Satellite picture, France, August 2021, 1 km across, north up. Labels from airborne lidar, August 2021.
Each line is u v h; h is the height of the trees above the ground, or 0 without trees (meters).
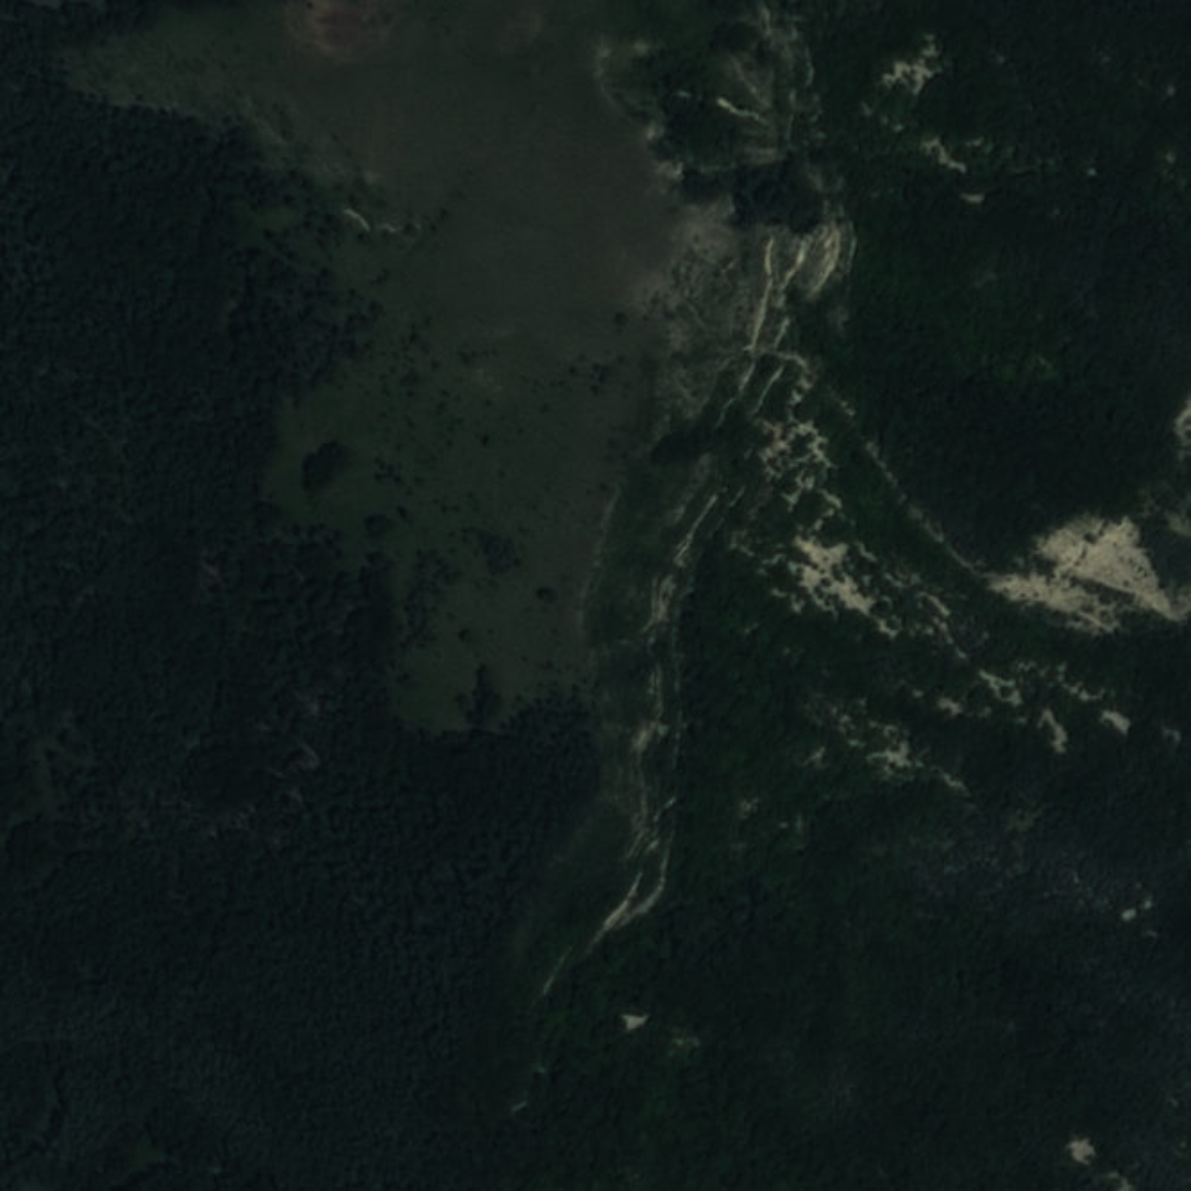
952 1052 9
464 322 0
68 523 11
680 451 15
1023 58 13
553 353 0
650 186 0
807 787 9
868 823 18
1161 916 14
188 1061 18
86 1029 26
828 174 6
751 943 21
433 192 0
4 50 18
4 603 17
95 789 10
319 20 0
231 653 15
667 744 13
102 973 19
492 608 0
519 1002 16
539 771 16
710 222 0
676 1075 11
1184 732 11
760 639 17
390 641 15
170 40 0
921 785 12
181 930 17
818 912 14
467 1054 18
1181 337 6
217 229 23
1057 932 12
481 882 25
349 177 0
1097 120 13
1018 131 13
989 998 22
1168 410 9
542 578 0
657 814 32
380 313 9
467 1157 23
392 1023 17
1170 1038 14
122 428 16
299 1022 13
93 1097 26
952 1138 18
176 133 16
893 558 8
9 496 8
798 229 12
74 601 19
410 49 0
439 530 0
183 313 23
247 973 22
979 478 14
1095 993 15
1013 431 25
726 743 19
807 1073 11
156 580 21
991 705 8
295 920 17
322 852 20
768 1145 12
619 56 0
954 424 20
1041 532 12
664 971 28
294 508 0
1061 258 13
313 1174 17
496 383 0
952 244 18
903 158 13
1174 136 14
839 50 15
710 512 7
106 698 13
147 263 27
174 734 17
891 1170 16
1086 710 10
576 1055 22
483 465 0
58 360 20
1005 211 18
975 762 14
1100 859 12
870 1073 13
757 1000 15
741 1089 19
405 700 0
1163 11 20
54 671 21
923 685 12
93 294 22
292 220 0
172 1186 11
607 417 0
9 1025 22
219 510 21
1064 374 12
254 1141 18
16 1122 19
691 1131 21
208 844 15
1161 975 12
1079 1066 16
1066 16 15
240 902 23
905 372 22
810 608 13
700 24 0
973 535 14
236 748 20
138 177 24
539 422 0
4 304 22
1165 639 15
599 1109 12
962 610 7
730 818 15
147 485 10
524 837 24
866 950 8
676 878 16
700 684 20
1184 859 13
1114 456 24
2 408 13
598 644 8
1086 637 8
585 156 0
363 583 8
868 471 13
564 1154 27
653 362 0
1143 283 11
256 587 14
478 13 0
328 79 0
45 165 21
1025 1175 10
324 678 21
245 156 13
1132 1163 12
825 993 13
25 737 14
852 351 16
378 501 0
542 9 0
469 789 22
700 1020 17
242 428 19
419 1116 21
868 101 9
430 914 24
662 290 0
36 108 16
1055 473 22
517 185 0
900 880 12
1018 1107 16
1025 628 10
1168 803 14
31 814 9
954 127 19
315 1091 23
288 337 17
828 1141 12
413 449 0
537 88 0
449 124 0
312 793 20
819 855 17
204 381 16
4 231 21
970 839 12
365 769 18
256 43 0
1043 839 13
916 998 12
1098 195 12
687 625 17
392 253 0
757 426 7
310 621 16
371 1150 20
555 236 0
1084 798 13
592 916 14
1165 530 10
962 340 15
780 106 7
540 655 0
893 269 19
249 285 10
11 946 12
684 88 10
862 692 17
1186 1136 11
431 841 18
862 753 7
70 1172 14
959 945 19
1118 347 16
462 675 0
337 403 0
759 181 16
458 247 0
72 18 18
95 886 11
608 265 0
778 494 6
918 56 9
